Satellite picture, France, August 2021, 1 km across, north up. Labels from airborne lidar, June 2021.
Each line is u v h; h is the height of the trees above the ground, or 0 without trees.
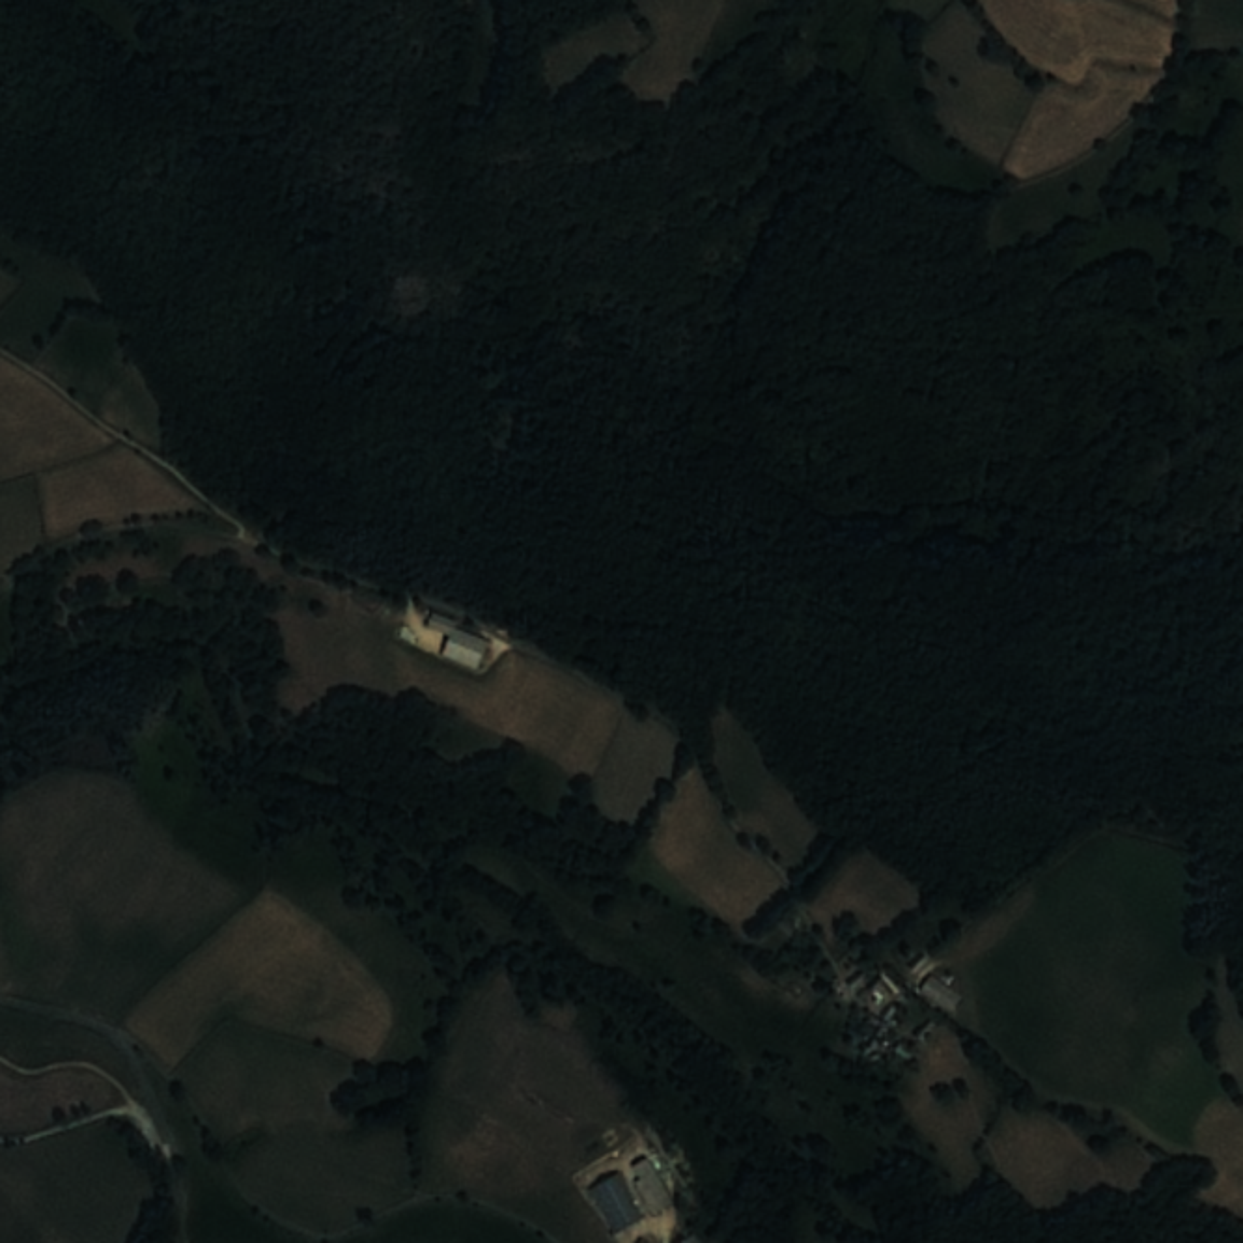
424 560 18
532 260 24
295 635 0
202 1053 0
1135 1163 0
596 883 11
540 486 10
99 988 0
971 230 13
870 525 14
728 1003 0
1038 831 12
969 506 21
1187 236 18
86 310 15
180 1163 12
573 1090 0
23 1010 0
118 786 0
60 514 0
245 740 15
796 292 24
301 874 0
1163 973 0
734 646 14
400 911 14
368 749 17
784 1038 0
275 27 12
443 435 15
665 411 17
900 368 21
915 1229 19
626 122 16
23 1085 0
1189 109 0
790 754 24
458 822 17
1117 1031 0
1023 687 20
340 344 30
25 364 0
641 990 13
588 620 16
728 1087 22
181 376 19
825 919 0
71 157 24
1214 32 0
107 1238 0
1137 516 18
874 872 0
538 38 20
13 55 11
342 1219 0
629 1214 0
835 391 23
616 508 11
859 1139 0
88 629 24
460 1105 0
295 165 12
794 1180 15
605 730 0
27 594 14
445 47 23
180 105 25
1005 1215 20
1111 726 17
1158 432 11
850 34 0
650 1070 10
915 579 29
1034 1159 0
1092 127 0
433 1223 0
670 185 16
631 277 26
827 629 21
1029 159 0
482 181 15
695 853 0
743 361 25
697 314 16
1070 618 16
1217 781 17
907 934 9
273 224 23
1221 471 20
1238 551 26
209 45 19
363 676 0
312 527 18
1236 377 20
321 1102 0
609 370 11
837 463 30
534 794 0
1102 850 0
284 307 13
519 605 17
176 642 12
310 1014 0
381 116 15
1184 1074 0
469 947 7
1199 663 12
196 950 0
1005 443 26
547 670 0
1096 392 6
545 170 16
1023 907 0
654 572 12
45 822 0
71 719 15
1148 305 14
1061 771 23
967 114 0
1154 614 16
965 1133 0
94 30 17
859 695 25
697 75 7
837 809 24
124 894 0
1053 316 25
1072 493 11
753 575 13
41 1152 0
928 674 23
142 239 15
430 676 0
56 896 0
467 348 19
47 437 0
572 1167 0
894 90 0
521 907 16
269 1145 0
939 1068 0
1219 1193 0
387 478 16
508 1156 0
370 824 14
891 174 22
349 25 11
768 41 18
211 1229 0
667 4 0
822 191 28
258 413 24
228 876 0
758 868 0
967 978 0
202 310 18
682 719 14
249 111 19
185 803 0
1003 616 23
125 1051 0
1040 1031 0
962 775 22
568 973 9
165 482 0
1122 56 0
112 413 0
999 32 8
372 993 0
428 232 13
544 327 11
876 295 18
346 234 21
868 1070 14
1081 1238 19
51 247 21
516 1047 0
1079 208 0
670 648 24
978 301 22
